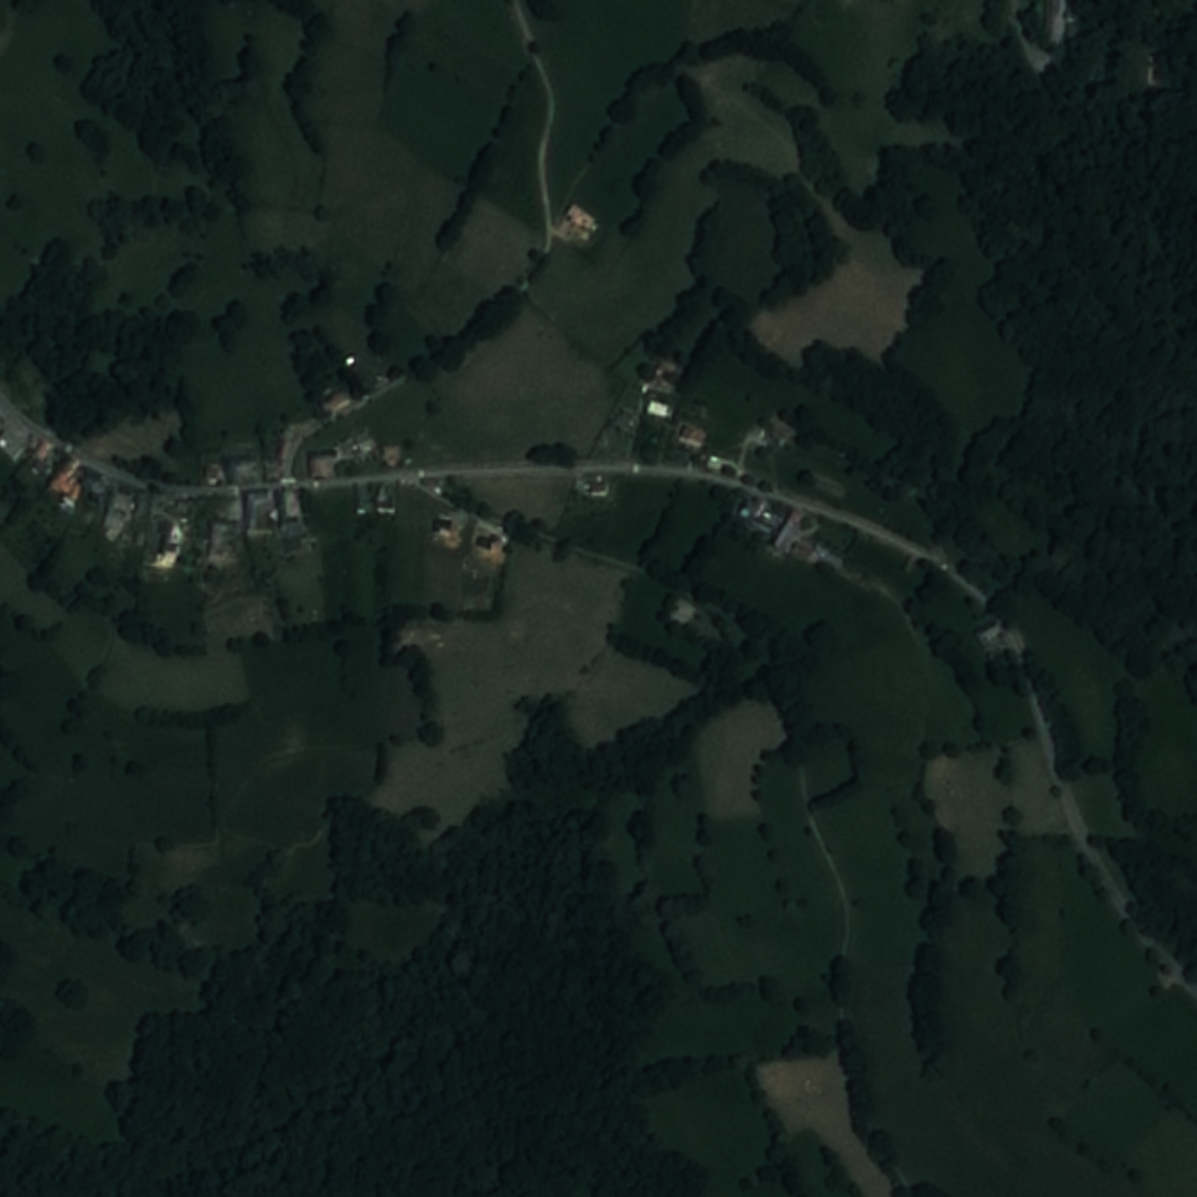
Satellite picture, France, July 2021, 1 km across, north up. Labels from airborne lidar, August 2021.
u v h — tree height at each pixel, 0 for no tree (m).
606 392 0
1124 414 25
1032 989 0
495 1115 21
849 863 0
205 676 0
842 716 0
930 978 20
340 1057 27
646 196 20
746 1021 0
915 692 0
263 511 0
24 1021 28
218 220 13
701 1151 0
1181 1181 0
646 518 0
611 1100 23
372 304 0
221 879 0
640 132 0
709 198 0
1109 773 16
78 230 0
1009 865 20
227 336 14
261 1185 26
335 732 0
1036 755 0
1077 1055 0
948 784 0
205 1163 28
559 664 0
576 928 26
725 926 0
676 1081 22
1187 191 37
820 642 25
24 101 0
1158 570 29
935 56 22
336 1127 27
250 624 0
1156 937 13
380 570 6
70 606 9
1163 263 15
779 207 21
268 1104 29
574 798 14
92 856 0
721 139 0
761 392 0
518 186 0
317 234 0
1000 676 21
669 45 0
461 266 0
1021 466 31
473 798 0
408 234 0
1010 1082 0
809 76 19
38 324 25
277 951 13
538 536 19
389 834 25
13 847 18
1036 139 29
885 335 0
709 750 0
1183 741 0
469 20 0
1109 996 0
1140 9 20
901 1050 0
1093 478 31
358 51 0
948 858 23
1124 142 19
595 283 0
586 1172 25
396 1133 26
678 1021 0
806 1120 0
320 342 8
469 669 0
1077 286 27
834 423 0
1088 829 0
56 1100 0
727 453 0
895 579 0
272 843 0
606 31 0
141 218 13
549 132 0
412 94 0
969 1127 0
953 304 0
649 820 20
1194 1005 0
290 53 0
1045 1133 0
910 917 0
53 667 0
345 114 0
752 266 0
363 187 0
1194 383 29
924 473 19
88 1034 0
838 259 17
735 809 0
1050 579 22
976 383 0
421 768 0
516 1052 28
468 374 0
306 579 0
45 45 0
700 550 15
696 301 23
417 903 29
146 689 0
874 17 0
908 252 20
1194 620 28
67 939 0
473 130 0
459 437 0
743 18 0
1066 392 31
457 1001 23
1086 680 0
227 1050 28
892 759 0
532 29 0
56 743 0
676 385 12
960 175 21
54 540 7
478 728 0
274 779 0
